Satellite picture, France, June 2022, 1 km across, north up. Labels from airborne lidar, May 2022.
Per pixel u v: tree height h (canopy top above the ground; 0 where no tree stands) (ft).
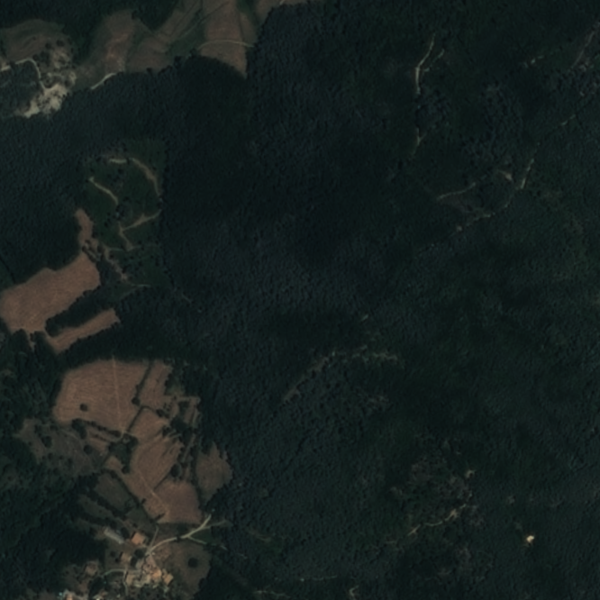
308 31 40
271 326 53
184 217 56
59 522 44
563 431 63
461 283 23
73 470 0
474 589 60
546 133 27
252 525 62
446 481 24
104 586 28
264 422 50
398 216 54
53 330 34
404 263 35
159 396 0
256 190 76
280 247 58
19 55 0
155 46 0
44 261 36
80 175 44
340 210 63
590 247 24
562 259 45
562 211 27
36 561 49
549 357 41
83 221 0
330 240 55
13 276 61
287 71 61
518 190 37
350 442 29
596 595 55
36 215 47
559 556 54
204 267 63
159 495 0
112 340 29
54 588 41
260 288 66
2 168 38
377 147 52
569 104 32
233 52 0
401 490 48
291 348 40
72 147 46
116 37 0
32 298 0
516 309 44
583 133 33
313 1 42
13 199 41
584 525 49
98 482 23
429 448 46
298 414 53
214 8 0
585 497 45
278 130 40
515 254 40
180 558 0
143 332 50
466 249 43
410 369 44
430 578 36
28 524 46
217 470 0
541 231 42
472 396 52
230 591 48
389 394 43
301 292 44
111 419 0
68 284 0
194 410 0
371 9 47
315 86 49
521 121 56
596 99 54
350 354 26
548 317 54
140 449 0
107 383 0
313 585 56
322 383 58
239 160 63
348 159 62
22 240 60
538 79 47
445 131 49
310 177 52
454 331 29
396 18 23
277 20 51
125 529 27
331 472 63
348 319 39
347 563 73
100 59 0
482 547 52
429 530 24
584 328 40
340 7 78
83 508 26
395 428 49
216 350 46
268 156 52
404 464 38
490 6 19
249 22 0
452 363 45
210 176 59
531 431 47
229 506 49
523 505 33
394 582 61
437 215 46
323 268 36
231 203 61
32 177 40
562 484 54
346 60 36
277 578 61
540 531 46
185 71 52
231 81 54
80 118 32
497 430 57
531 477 35
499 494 43
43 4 58
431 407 57
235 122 42
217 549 30
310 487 62
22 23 42
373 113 33
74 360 34
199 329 65
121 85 42
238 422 28
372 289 40
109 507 37
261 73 38
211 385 52
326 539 80
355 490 52
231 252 64
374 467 43
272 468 68
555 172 21
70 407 0
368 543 40
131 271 60
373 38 23
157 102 54
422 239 40
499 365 61
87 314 33
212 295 68
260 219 50
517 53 22
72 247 54
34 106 0
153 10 28
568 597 52
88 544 55
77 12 54
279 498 70
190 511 0
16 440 42
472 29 33
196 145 56
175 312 53
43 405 23
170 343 42
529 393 49
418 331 56
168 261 60
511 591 52
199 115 47
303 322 53
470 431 52
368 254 66
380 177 67
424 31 25
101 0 41
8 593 33
